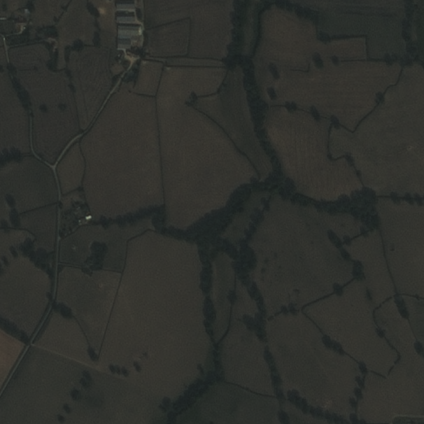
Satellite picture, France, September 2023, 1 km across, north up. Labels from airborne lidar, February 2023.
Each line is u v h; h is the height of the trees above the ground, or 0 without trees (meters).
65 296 0
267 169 0
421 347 16
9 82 0
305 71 0
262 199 0
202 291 15
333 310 0
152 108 0
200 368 12
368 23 0
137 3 0
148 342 0
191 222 0
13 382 0
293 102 0
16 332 18
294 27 0
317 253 0
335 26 0
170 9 0
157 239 0
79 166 0
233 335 0
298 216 0
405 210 0
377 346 0
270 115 0
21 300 0
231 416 0
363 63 0
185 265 0
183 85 0
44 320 0
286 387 0
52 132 0
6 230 19
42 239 0
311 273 0
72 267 0
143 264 0
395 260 0
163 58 0
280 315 0
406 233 0
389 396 0
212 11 0
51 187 0
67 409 13
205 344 0
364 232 17
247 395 0
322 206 21
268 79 0
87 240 0
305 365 0
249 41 0
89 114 0
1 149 0
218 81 0
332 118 0
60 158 0
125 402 0
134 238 0
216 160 0
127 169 0
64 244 0
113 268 0
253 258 19
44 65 0
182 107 0
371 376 0
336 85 0
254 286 12
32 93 0
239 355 0
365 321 0
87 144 0
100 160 0
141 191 0
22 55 0
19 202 0
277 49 0
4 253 0
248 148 0
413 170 0
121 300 0
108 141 0
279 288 0
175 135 0
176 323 0
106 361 0
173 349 0
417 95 0
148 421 0
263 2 0
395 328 0
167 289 0
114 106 0
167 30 0
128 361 0
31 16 0
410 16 13
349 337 0
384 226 0
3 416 0
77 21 0
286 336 0
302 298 0
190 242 12
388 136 0
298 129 0
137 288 0
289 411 0
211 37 0
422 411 0
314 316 0
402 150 0
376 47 0
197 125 0
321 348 0
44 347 0
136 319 0
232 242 0
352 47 0
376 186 0
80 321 0
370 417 0
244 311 0
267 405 0
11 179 0
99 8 0
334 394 0
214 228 21
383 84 0
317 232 0
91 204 0
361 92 0
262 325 15
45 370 0
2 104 0
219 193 0
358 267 15
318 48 0
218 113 0
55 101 0
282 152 0
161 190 0
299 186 0
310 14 20
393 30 0
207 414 0
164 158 0
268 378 0
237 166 0
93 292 0
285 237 0
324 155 0
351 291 0
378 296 0
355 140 0
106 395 0
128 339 0
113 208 0
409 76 0
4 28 0
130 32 0
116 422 0
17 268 0
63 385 0
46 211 0
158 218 21
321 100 0
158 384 0
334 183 0
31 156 0
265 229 0
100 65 0
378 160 0
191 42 0
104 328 0
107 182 0
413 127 0
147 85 0
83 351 0
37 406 0
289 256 0
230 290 0
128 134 0
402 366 0
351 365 0
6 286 0
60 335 0
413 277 0
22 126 0
